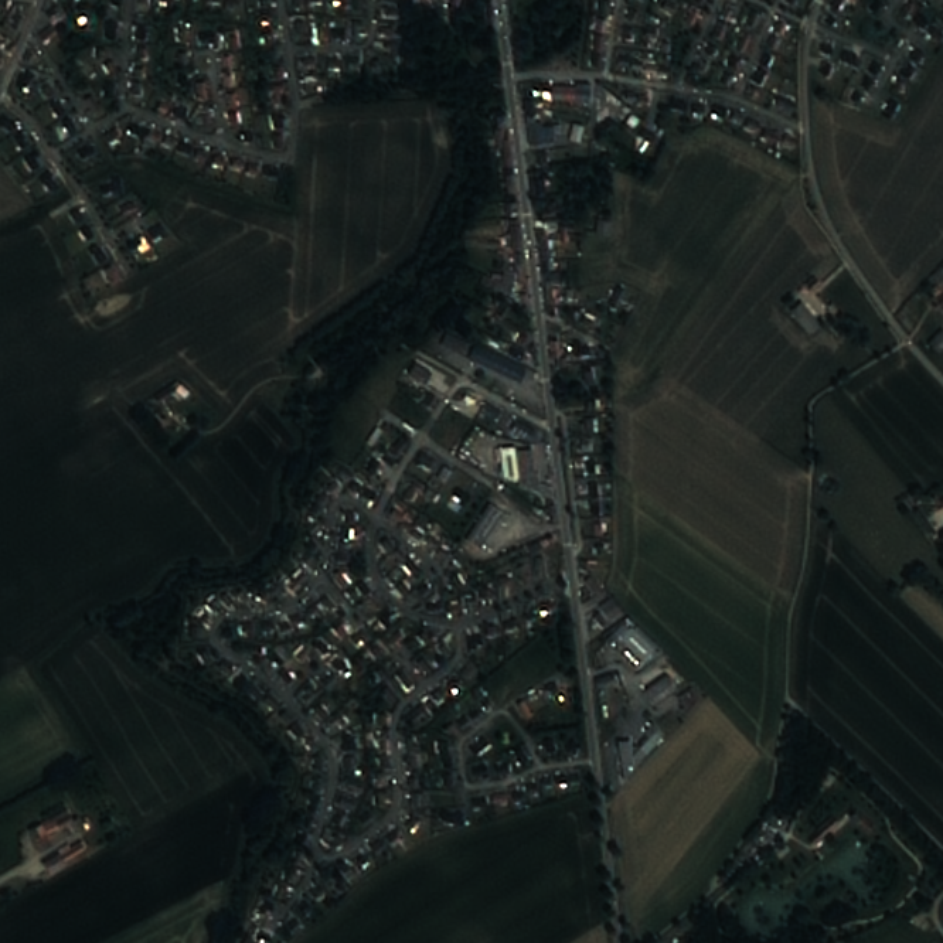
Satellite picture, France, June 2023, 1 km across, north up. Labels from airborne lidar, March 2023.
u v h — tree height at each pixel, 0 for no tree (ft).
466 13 20
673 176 0
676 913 0
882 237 0
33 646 0
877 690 0
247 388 0
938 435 0
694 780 0
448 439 0
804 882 0
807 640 0
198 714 0
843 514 0
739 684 0
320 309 0
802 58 0
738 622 0
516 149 0
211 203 0
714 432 0
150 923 0
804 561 0
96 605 0
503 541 0
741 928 50
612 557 0
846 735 0
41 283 0
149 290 0
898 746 0
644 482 0
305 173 0
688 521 0
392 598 0
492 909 0
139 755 0
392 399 0
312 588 0
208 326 0
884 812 34
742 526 0
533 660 0
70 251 0
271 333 0
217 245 0
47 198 0
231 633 38
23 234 0
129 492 0
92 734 0
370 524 0
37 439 0
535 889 0
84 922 0
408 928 0
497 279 0
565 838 0
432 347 0
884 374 0
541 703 0
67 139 0
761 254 0
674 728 0
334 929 0
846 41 0
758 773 0
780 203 0
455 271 53
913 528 0
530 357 0
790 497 0
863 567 0
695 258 0
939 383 0
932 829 0
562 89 0
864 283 0
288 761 37
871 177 0
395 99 0
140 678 0
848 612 0
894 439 0
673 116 0
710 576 0
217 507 0
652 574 0
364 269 0
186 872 0
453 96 44
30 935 0
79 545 0
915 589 0
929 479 0
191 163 0
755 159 0
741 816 0
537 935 0
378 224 0
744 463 0
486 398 0
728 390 0
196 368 0
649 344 0
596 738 0
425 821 0
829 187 0
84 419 0
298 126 0
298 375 0
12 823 0
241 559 0
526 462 0
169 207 0
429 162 0
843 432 0
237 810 0
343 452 0
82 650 0
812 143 0
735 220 0
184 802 0
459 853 0
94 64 0
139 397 0
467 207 36
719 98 0
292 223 0
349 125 0
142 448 0
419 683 0
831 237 0
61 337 0
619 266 0
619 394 0
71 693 0
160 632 24
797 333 0
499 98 24
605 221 0
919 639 0
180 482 0
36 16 0
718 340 0
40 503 0
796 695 0
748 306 0
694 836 0
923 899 50
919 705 0
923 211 0
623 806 0
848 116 0
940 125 0
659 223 0
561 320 0
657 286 0
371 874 0
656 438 0
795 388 0
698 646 0
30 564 0
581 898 0
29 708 0
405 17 65
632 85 0
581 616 0
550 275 0
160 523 0
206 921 0
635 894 0
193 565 42
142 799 0
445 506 0
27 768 0
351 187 0
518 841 0
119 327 0
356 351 49
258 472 0
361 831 0
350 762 0
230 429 0
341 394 56
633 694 0
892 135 0
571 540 0
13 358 0
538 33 46
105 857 0
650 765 0
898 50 0
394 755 0
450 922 0
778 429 0
